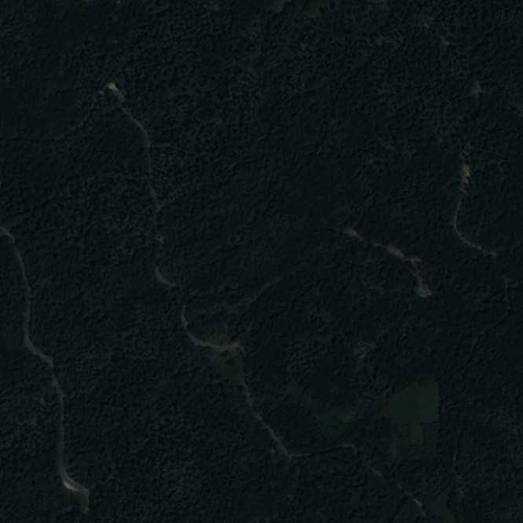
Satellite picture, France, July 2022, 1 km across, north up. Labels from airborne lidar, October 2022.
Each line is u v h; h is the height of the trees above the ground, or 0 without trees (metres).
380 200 21
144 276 11
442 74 24
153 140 7
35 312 7
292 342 10
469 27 16
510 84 29
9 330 13
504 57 13
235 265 11
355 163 15
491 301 15
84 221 18
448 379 18
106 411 11
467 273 21
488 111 18
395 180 15
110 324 14
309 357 11
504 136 33
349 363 16
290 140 17
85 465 7
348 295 25
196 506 10
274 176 11
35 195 29
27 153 27
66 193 33
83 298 10
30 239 15
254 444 13
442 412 12
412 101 9
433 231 17
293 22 34
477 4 15
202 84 11
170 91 11
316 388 18
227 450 10
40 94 14
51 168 15
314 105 13
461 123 9
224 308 7
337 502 6
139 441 8
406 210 32
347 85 16
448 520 0
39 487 15
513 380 17
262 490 20
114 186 33
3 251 18
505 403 15
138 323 15
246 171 18
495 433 21
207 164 26
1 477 24
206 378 12
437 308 16
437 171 25
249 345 25
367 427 18
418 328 16
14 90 16
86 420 8
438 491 26
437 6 15
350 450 16
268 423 14
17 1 28
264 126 9
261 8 20
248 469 15
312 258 18
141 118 20
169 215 14
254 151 20
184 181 30
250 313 13
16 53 11
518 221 17
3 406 31
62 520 28
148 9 21
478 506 11
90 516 6
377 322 17
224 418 16
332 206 14
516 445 15
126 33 30
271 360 20
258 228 16
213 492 10
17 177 23
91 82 7
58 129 22
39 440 33
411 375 17
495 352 26
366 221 15
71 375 23
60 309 16
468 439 21
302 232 9
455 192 8
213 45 20
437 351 24
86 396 7
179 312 12
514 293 23
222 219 15
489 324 24
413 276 21
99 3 16
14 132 22
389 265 13
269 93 11
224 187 21
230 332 6
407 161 15
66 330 10
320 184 14
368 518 22
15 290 13
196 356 21
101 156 19
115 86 0
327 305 12
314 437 7
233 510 14
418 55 23
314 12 0
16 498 12
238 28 26
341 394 12
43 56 20
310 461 17
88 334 10
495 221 12
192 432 18
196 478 16
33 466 12
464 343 30
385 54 23
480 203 16
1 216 22
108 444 12
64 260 10
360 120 16
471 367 16
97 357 26
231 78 10
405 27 12
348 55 10
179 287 13
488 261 24
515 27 28
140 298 13
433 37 16
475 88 27
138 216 18
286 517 23
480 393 19
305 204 14
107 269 26
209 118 31
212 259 13
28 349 8
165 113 25
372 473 9
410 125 19
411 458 7
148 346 27
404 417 0
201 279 16
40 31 31
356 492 16
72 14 13
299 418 12
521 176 26
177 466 22
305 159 11
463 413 26
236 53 24
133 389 14
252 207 14
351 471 14
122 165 14
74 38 24
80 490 0
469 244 9
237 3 31
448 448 19
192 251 13
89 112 19
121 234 13
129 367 23
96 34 32
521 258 18
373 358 15
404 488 10
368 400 11
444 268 13
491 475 15
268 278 11
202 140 38
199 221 13
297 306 25
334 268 13
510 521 22
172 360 23
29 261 15
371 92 15
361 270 23
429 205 18
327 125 22
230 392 15
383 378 15
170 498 22
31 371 24
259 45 22
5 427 20
